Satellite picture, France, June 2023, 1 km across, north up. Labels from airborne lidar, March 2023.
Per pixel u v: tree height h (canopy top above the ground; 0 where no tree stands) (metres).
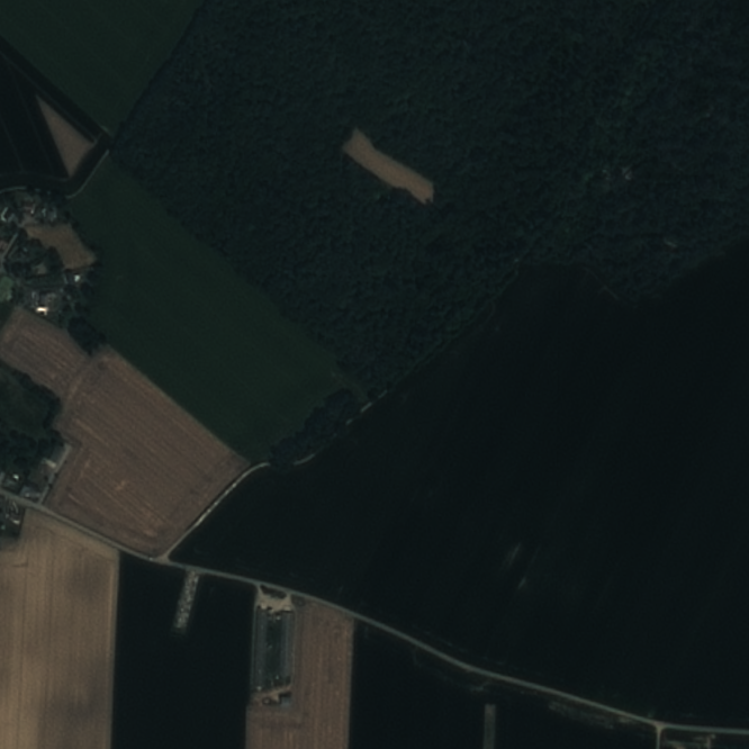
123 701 0
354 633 0
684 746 0
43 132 0
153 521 0
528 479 0
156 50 0
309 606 0
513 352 0
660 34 8
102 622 0
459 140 19
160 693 0
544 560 0
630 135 15
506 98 21
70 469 0
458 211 22
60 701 0
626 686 0
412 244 22
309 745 0
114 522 0
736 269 0
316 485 0
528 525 0
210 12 19
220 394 0
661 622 0
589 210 11
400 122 20
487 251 27
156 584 0
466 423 0
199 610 0
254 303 0
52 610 0
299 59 18
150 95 14
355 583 0
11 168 0
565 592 0
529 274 0
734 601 0
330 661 0
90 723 0
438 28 19
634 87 19
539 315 0
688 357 0
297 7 21
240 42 20
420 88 20
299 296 17
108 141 0
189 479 0
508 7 13
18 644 0
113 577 0
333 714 0
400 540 0
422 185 0
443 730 0
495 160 21
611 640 0
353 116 16
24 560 0
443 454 0
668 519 0
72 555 0
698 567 0
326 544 0
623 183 9
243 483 0
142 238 0
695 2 19
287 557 0
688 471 0
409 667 0
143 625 0
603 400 0
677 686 0
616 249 19
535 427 0
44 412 0
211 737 0
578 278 0
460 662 0
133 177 14
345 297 20
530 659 0
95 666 0
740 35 23
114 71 0
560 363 0
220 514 0
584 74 25
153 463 0
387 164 0
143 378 0
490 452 0
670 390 0
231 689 0
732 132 17
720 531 0
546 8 9
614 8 30
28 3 0
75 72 0
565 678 0
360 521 0
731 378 0
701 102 8
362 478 0
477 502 0
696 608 0
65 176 0
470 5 19
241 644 0
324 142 22
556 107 25
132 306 0
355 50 22
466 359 0
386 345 21
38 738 0
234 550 0
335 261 22
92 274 11
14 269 12
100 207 0
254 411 0
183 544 0
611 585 0
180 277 0
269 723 0
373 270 19
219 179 25
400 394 0
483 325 0
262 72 21
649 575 0
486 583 0
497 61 11
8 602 0
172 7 0
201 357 0
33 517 0
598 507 0
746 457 0
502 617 0
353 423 0
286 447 16
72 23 0
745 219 13
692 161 15
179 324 0
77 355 0
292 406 0
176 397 0
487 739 0
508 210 22
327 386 0
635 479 0
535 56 21
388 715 0
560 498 0
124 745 0
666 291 0
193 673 0
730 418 0
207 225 20
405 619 0
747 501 0
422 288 24
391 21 22
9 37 0
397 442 0
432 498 0
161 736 0
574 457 0
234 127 24
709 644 0
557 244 22
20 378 6
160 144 25
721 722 0
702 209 9
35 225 0
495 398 0
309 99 18
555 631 0
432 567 0
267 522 0
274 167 19
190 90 23
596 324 0
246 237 21
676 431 0
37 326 0
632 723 0
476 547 0
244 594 0
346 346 18
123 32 0
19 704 0
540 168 26
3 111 0
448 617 0
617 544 0
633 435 0
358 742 0
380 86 21
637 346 0
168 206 14
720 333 0
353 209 14
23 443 8
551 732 0
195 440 0
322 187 20
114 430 0
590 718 0
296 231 20
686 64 25
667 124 15
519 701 0
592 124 22
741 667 0
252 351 0
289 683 0
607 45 25
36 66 0
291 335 0
